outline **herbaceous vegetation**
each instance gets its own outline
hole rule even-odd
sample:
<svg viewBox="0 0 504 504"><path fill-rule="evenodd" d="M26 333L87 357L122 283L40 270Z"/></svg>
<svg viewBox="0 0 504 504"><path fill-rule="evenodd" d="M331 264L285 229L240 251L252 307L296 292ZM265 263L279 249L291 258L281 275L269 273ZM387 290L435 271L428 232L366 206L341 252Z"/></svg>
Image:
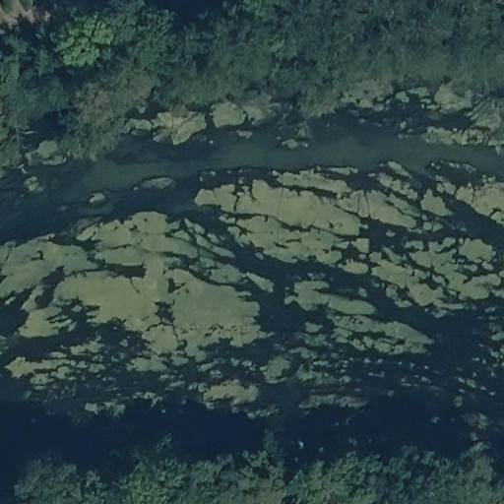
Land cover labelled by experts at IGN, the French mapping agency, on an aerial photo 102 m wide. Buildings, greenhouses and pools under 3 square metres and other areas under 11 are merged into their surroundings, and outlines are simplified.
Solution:
<svg viewBox="0 0 504 504"><path fill-rule="evenodd" d="M59 366L57 378L65 378L67 372L73 372L75 368L85 368L85 362L67 360L63 352L51 352L41 362L28 362L26 358L16 358L8 368L14 376L24 376L37 368Z"/></svg>
<svg viewBox="0 0 504 504"><path fill-rule="evenodd" d="M382 185L415 199L417 193L408 183L400 183L386 175L380 175Z"/></svg>
<svg viewBox="0 0 504 504"><path fill-rule="evenodd" d="M59 152L53 140L41 142L39 148L33 150L28 152L26 159L30 163L57 165L69 161L71 156L67 152Z"/></svg>
<svg viewBox="0 0 504 504"><path fill-rule="evenodd" d="M451 311L463 309L461 303L443 303L443 293L439 289L431 289L419 283L421 278L425 278L423 272L402 268L400 256L392 248L384 248L390 258L388 262L382 260L378 252L374 252L370 258L376 264L372 272L372 285L382 287L398 307L415 307L431 303L435 305L433 317L451 315Z"/></svg>
<svg viewBox="0 0 504 504"><path fill-rule="evenodd" d="M327 282L299 282L295 283L293 295L285 295L285 303L299 303L303 309L327 305L325 315L335 325L333 333L339 343L352 345L356 350L376 348L386 354L425 352L425 345L431 345L429 337L417 333L408 325L372 321L374 307L370 303L348 301L335 295L319 293L319 289L325 287ZM346 337L354 331L374 331L386 335L382 341L348 341Z"/></svg>
<svg viewBox="0 0 504 504"><path fill-rule="evenodd" d="M461 297L474 299L482 299L488 295L504 297L504 270L494 276L472 278L471 282L467 283L463 280L465 276L457 272L453 256L441 254L445 246L453 244L453 238L445 238L443 242L429 242L427 252L423 252L423 242L406 242L406 248L413 248L415 252L411 254L415 262L431 266L435 268L435 272L447 274L451 293L459 291Z"/></svg>
<svg viewBox="0 0 504 504"><path fill-rule="evenodd" d="M177 118L165 112L159 114L156 120L130 120L126 116L122 126L118 126L118 132L122 136L138 136L142 130L161 126L161 130L154 136L156 142L169 140L173 144L183 144L191 138L193 132L205 128L203 114L195 114L193 118Z"/></svg>
<svg viewBox="0 0 504 504"><path fill-rule="evenodd" d="M297 372L297 378L301 382L311 380L315 384L333 384L333 376L329 374Z"/></svg>
<svg viewBox="0 0 504 504"><path fill-rule="evenodd" d="M362 400L331 394L309 396L305 402L299 404L299 408L309 409L323 404L333 404L345 408L362 408Z"/></svg>
<svg viewBox="0 0 504 504"><path fill-rule="evenodd" d="M215 100L209 100L207 104L213 110L215 126L242 124L244 120L260 124L272 116L287 116L287 112L282 112L282 102L270 102L274 96L268 93L256 94L244 89L238 96L224 94Z"/></svg>
<svg viewBox="0 0 504 504"><path fill-rule="evenodd" d="M278 376L289 366L289 362L283 358L274 358L270 360L270 364L262 366L262 374L270 384L278 384Z"/></svg>
<svg viewBox="0 0 504 504"><path fill-rule="evenodd" d="M498 224L504 224L504 183L498 183L494 177L490 177L488 183L484 183L482 187L459 187L449 183L445 177L437 177L439 191L455 195L457 199L469 203L476 213L486 215Z"/></svg>
<svg viewBox="0 0 504 504"><path fill-rule="evenodd" d="M169 388L181 388L183 380L175 376L175 370L179 368L179 364L205 358L205 352L199 346L219 343L220 339L228 339L230 345L242 346L256 339L264 339L264 331L256 325L256 315L260 311L258 303L250 299L248 291L236 291L234 287L236 283L254 282L264 291L272 291L274 283L256 274L238 272L232 266L215 262L213 258L217 254L234 256L230 250L220 248L217 234L187 219L167 222L165 215L159 213L138 213L124 222L112 220L102 224L96 219L79 220L79 240L96 240L94 250L87 252L77 246L53 244L51 232L37 236L20 246L16 242L6 242L4 246L0 246L0 299L12 291L30 291L30 297L24 303L24 311L28 313L26 325L22 325L12 335L0 335L0 354L4 354L4 350L12 346L20 345L26 337L49 337L57 335L61 329L73 331L75 323L71 319L49 323L47 317L59 313L63 305L77 297L83 299L87 305L98 305L93 323L108 323L112 319L120 319L126 329L138 331L142 335L148 346L144 352L138 354L136 360L132 360L126 366L126 370L154 370L159 374L159 380L165 380ZM100 260L122 266L144 266L146 274L144 278L112 278L108 272L98 272ZM65 280L55 287L49 307L37 309L35 301L43 293L43 278L53 274L59 266L65 272Z"/></svg>
<svg viewBox="0 0 504 504"><path fill-rule="evenodd" d="M59 16L67 14L73 6L87 6L94 14L96 10L108 4L108 0L0 0L0 55L12 55L12 47L6 43L10 37L28 41L33 35L39 35L49 16L57 20Z"/></svg>
<svg viewBox="0 0 504 504"><path fill-rule="evenodd" d="M305 341L309 345L323 345L325 337L321 335L319 325L305 323L303 331L295 333L295 339Z"/></svg>
<svg viewBox="0 0 504 504"><path fill-rule="evenodd" d="M494 248L490 244L484 244L482 240L465 240L461 246L461 254L469 256L469 260L478 262L478 258L492 258Z"/></svg>
<svg viewBox="0 0 504 504"><path fill-rule="evenodd" d="M224 0L144 0L146 4L152 4L159 10L173 12L175 18L183 22L187 28L197 20L201 12L219 10Z"/></svg>
<svg viewBox="0 0 504 504"><path fill-rule="evenodd" d="M388 77L380 81L366 79L362 83L352 83L346 89L339 89L339 94L333 94L331 108L335 110L350 102L354 106L380 112L388 110L390 104L396 100L408 102L411 94L417 94L421 108L429 110L429 118L441 118L443 114L459 110L461 114L474 120L471 128L463 132L427 128L427 132L423 134L423 142L492 146L498 156L504 157L504 87L490 91L478 87L472 79L453 79L451 75L435 81L411 77L404 83L392 83Z"/></svg>
<svg viewBox="0 0 504 504"><path fill-rule="evenodd" d="M230 380L222 386L213 388L201 382L193 382L189 384L189 390L197 390L203 396L205 408L215 408L215 402L219 398L232 398L230 409L238 411L238 404L256 400L258 390L256 386L244 388L238 380Z"/></svg>
<svg viewBox="0 0 504 504"><path fill-rule="evenodd" d="M451 213L441 199L433 197L427 191L421 203L423 209L435 215Z"/></svg>
<svg viewBox="0 0 504 504"><path fill-rule="evenodd" d="M244 187L242 193L234 195L232 185L222 185L219 189L205 189L197 193L197 205L219 205L222 211L250 213L250 220L230 219L220 215L220 222L226 222L228 232L234 236L238 244L260 246L268 256L278 258L287 264L301 262L313 256L317 262L333 266L341 258L341 254L325 254L325 248L346 248L346 242L341 238L329 236L329 222L333 222L335 230L343 234L354 234L360 228L368 228L360 222L362 217L372 217L388 224L406 226L411 232L421 234L427 230L441 230L441 224L435 222L423 222L423 226L417 226L413 220L415 211L408 203L396 197L392 197L392 207L386 207L382 193L356 191L348 187L345 181L325 179L321 173L315 171L301 171L282 173L282 183L309 185L335 191L337 199L323 199L311 193L272 189L264 181L254 181L254 185ZM321 226L321 232L289 232L280 228L283 220L301 226L317 224Z"/></svg>

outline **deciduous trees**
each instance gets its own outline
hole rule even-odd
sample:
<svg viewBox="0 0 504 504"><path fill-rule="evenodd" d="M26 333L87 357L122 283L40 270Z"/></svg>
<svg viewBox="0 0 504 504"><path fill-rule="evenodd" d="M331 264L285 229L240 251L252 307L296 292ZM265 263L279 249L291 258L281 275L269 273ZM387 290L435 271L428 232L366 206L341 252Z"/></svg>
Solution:
<svg viewBox="0 0 504 504"><path fill-rule="evenodd" d="M504 504L504 476L492 471L490 459L482 457L478 451L467 449L455 461L451 461L437 459L435 453L419 451L413 445L402 447L400 453L386 465L378 463L378 455L370 455L364 459L345 457L339 459L333 467L329 463L317 461L309 472L289 471L283 469L282 451L278 449L278 441L272 433L264 437L264 447L260 453L244 451L234 453L232 457L219 457L215 463L201 461L195 465L185 465L177 461L171 437L163 437L134 467L134 471L122 476L120 480L104 484L94 471L81 471L75 465L43 467L39 461L33 461L28 467L26 478L16 484L14 492L8 498L0 500L0 504Z"/></svg>
<svg viewBox="0 0 504 504"><path fill-rule="evenodd" d="M18 159L26 159L28 152L33 150L31 146L22 144L22 134L26 132L24 128L30 126L30 120L41 118L47 112L55 112L59 124L63 126L63 134L61 140L53 140L59 152L67 152L71 156L94 159L96 154L104 150L116 148L122 136L118 132L118 126L122 126L126 116L126 112L130 110L144 112L150 102L165 106L165 112L177 118L193 118L195 114L187 108L187 104L207 104L209 100L215 100L224 94L238 96L244 89L256 94L268 93L274 96L280 98L295 94L299 102L299 112L311 118L331 114L335 110L331 108L333 94L339 94L339 89L346 89L352 83L362 83L366 79L380 81L388 77L392 83L404 83L411 77L435 81L451 75L453 79L472 79L478 87L490 91L504 87L504 0L224 0L219 10L201 12L197 20L187 28L183 22L175 18L173 12L159 10L152 4L146 4L144 0L108 0L108 4L96 10L94 14L87 6L73 6L67 14L59 16L57 20L49 16L39 35L33 35L28 41L10 37L6 43L12 47L12 55L0 55L0 179L8 165L12 167Z"/></svg>

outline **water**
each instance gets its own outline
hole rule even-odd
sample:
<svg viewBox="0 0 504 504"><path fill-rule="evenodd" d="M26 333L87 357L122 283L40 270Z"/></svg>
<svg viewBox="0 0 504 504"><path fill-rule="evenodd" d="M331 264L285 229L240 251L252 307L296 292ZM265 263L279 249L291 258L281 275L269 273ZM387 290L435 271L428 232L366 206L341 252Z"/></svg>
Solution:
<svg viewBox="0 0 504 504"><path fill-rule="evenodd" d="M26 325L28 313L24 311L24 303L30 297L30 291L12 291L0 299L0 335L12 335L22 325Z"/></svg>
<svg viewBox="0 0 504 504"><path fill-rule="evenodd" d="M301 226L283 220L280 228L289 232L321 232L321 226L317 224Z"/></svg>
<svg viewBox="0 0 504 504"><path fill-rule="evenodd" d="M59 266L53 274L43 278L43 293L35 301L37 309L49 307L55 287L65 280L65 272Z"/></svg>
<svg viewBox="0 0 504 504"><path fill-rule="evenodd" d="M354 331L346 337L348 341L382 341L386 335L374 331Z"/></svg>
<svg viewBox="0 0 504 504"><path fill-rule="evenodd" d="M98 272L108 272L112 278L144 278L146 274L144 266L122 266L100 260Z"/></svg>
<svg viewBox="0 0 504 504"><path fill-rule="evenodd" d="M415 252L413 248L406 248L406 242L423 242L423 252L427 252L429 242L443 242L445 238L453 238L453 244L445 246L441 254L453 256L457 272L465 276L463 280L467 283L471 282L472 278L494 276L504 270L504 224L498 224L486 215L476 213L469 203L457 199L455 195L439 191L437 177L445 177L449 183L459 187L482 187L484 183L488 183L490 177L494 177L498 183L504 183L504 157L498 156L492 146L423 142L423 134L427 132L427 128L463 132L471 128L474 120L461 114L459 110L443 114L441 118L429 118L429 110L421 108L417 94L411 94L408 102L396 100L390 104L388 110L380 112L354 106L350 102L335 110L331 114L311 118L299 112L299 102L295 94L280 98L274 96L270 102L282 102L282 112L287 112L287 116L272 116L260 124L244 120L242 124L215 126L213 110L207 104L187 104L187 108L195 114L203 114L205 128L193 132L191 138L183 144L173 144L169 140L156 142L154 136L161 130L161 126L142 130L138 136L122 136L116 148L104 150L96 154L94 159L71 156L69 161L57 165L30 163L26 159L18 159L12 167L8 165L0 179L0 246L4 246L6 242L16 242L20 246L37 236L51 232L53 244L77 246L87 252L94 250L96 240L79 240L79 220L96 219L102 224L112 220L124 222L138 213L159 213L165 215L167 222L187 219L217 234L220 248L230 250L234 256L217 254L213 258L215 262L232 266L238 272L256 274L274 283L272 291L264 291L254 282L236 283L234 287L236 291L248 291L250 299L258 303L260 311L256 315L256 325L264 331L264 339L256 339L242 346L230 345L228 339L220 339L219 343L199 346L205 352L205 358L179 364L179 368L175 370L175 376L183 380L181 388L169 388L165 380L159 380L159 374L154 370L126 370L126 366L132 360L136 360L138 354L144 352L148 346L142 335L138 331L126 329L120 319L112 319L108 323L93 323L98 305L87 305L83 299L77 297L63 305L59 313L47 317L49 323L71 319L75 323L73 331L61 329L57 335L49 337L26 337L20 345L12 346L4 350L4 354L0 354L0 500L8 498L14 492L16 484L26 478L28 467L33 461L39 461L43 467L75 465L81 471L94 471L104 484L120 480L122 476L134 471L134 467L163 437L171 437L177 461L185 465L195 465L201 461L215 463L219 457L232 457L234 453L244 451L260 453L264 447L264 437L272 433L278 441L278 449L282 451L283 469L289 471L309 472L317 461L329 463L333 467L339 459L345 457L364 459L370 455L378 455L378 463L386 465L400 453L402 447L413 445L419 451L435 453L437 459L451 461L455 461L467 449L478 451L482 457L490 459L492 471L504 476L504 297L488 295L482 299L474 299L461 297L459 291L451 293L447 274L435 272L435 268L431 266L415 262L411 254ZM417 226L423 226L423 222L435 222L441 224L441 230L427 230L421 234L411 232L406 226L388 224L372 217L362 217L360 222L368 228L360 228L354 234L343 234L335 230L333 222L329 222L329 236L341 238L346 242L346 248L325 248L325 254L341 254L341 258L333 266L317 262L313 256L301 262L287 264L278 258L268 256L260 246L238 244L234 236L228 232L226 222L220 222L220 215L230 219L250 220L250 213L222 211L219 205L197 205L197 193L205 189L219 189L222 185L232 185L234 195L242 193L244 187L254 185L254 181L264 181L272 189L311 193L323 199L337 199L335 191L309 185L282 183L282 173L301 171L315 171L321 173L325 179L345 181L348 187L356 191L382 193L386 207L392 207L392 197L396 197L408 203L415 211L413 220ZM386 175L400 183L408 183L417 193L415 199L382 185L380 175ZM427 191L433 197L441 199L451 213L435 215L423 209L421 203ZM494 248L492 258L478 258L478 262L469 260L469 256L461 254L461 246L465 240L482 240L484 244L490 244ZM376 264L370 258L374 252L378 252L382 260L388 262L390 258L384 248L392 248L400 256L402 268L423 272L425 278L421 278L419 283L431 289L439 289L443 293L443 303L461 303L463 309L451 311L451 315L433 317L435 305L431 303L415 307L398 307L382 287L372 285L372 272ZM386 354L376 348L356 350L352 345L339 343L333 333L335 325L325 315L327 305L303 309L299 303L285 303L285 295L293 295L295 283L299 282L327 282L325 287L319 289L319 293L335 295L348 301L370 303L374 307L372 321L408 325L417 333L429 337L431 345L425 345L425 352ZM319 325L321 335L325 337L323 345L309 345L305 341L295 339L295 333L303 331L305 323ZM63 352L67 360L85 362L85 368L75 368L73 372L67 372L65 378L57 378L59 366L37 368L24 376L14 376L8 368L16 358L26 358L28 362L41 362L51 352ZM262 366L270 364L270 360L274 358L283 358L289 362L289 366L278 376L278 384L270 384L262 374ZM297 372L329 374L333 376L333 384L315 384L311 380L301 382L297 378ZM197 390L189 390L189 384L193 382L201 382L213 388L222 386L230 380L238 380L244 388L256 386L258 390L256 400L238 404L238 411L230 409L232 398L219 398L215 402L215 408L205 408L203 396ZM331 394L362 400L362 408L345 408L333 404L323 404L309 409L299 408L299 404L305 402L309 396Z"/></svg>
<svg viewBox="0 0 504 504"><path fill-rule="evenodd" d="M150 102L144 112L130 110L126 112L126 116L130 120L156 120L159 114L165 112L165 106Z"/></svg>
<svg viewBox="0 0 504 504"><path fill-rule="evenodd" d="M63 134L63 126L59 124L55 112L47 112L41 118L30 120L30 126L24 128L26 132L22 134L22 144L31 146L33 150L39 148L41 142L53 140L61 140Z"/></svg>

